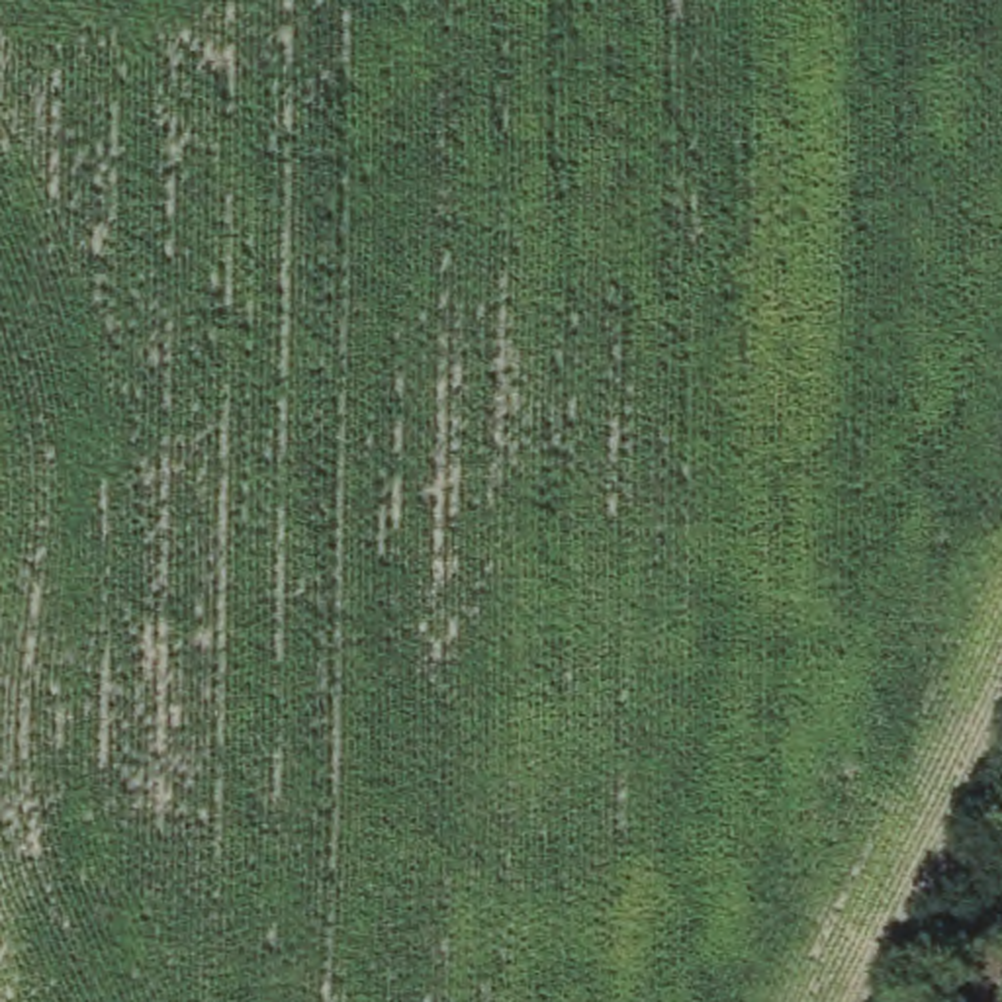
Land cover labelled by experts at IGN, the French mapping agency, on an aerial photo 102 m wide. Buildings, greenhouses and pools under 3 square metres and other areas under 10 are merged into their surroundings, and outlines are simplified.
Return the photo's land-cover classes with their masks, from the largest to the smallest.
<instances>
[{"label":"agricultural land","instance_id":"1","mask_svg":"<svg viewBox=\"0 0 1002 1002\"><path fill-rule=\"evenodd\" d=\"M1002 697V0H0V1002H865L877 943L892 920L908 916V896L916 888V869L924 865V857L943 849L951 795L959 783L971 779L975 759L990 748L994 705Z\"/></svg>","mask_w":1002,"mask_h":1002},{"label":"coniferous trees","instance_id":"2","mask_svg":"<svg viewBox=\"0 0 1002 1002\"><path fill-rule=\"evenodd\" d=\"M943 849L924 857V865L916 869V888L908 896V916L892 920L877 943L865 1002H1002V697L994 705L990 748L975 759L971 779L959 783L951 795Z\"/></svg>","mask_w":1002,"mask_h":1002}]
</instances>
